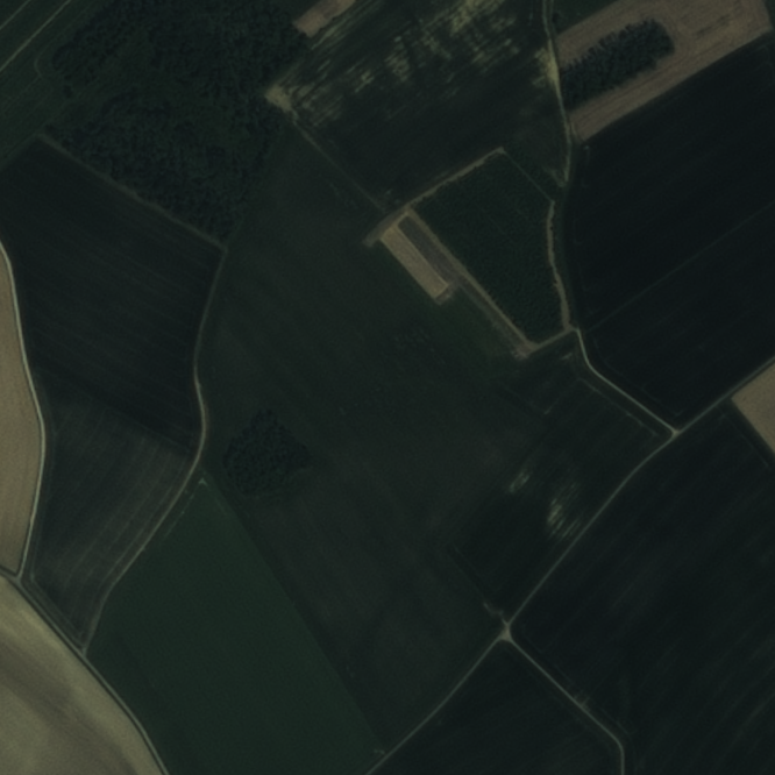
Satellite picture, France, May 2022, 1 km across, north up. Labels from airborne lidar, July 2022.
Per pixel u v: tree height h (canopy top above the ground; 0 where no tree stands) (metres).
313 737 0
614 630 0
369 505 0
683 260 0
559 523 0
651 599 0
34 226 0
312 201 0
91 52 13
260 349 0
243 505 0
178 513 0
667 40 20
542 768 0
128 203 0
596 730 0
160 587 0
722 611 0
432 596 0
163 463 0
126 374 0
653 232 0
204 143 8
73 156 16
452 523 0
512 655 0
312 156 0
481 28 0
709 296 0
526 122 0
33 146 0
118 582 0
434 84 0
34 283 0
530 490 0
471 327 0
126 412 0
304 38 16
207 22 26
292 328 0
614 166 0
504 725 0
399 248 0
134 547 0
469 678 0
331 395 0
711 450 0
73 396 0
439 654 0
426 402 0
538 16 0
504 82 0
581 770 0
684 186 0
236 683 0
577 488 0
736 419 0
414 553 0
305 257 0
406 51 0
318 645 0
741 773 0
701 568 0
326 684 0
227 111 19
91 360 0
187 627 0
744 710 0
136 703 0
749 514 0
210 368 0
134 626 0
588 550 0
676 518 0
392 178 0
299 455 24
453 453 0
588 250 0
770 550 0
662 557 0
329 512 0
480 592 0
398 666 0
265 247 0
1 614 0
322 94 0
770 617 0
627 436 0
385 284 0
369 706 0
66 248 0
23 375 0
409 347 0
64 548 0
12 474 0
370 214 0
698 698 0
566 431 0
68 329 0
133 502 0
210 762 0
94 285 0
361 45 0
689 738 0
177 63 21
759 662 0
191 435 0
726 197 0
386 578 0
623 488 0
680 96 0
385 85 0
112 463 0
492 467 0
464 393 0
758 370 0
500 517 0
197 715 0
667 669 0
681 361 0
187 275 0
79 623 0
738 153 0
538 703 0
